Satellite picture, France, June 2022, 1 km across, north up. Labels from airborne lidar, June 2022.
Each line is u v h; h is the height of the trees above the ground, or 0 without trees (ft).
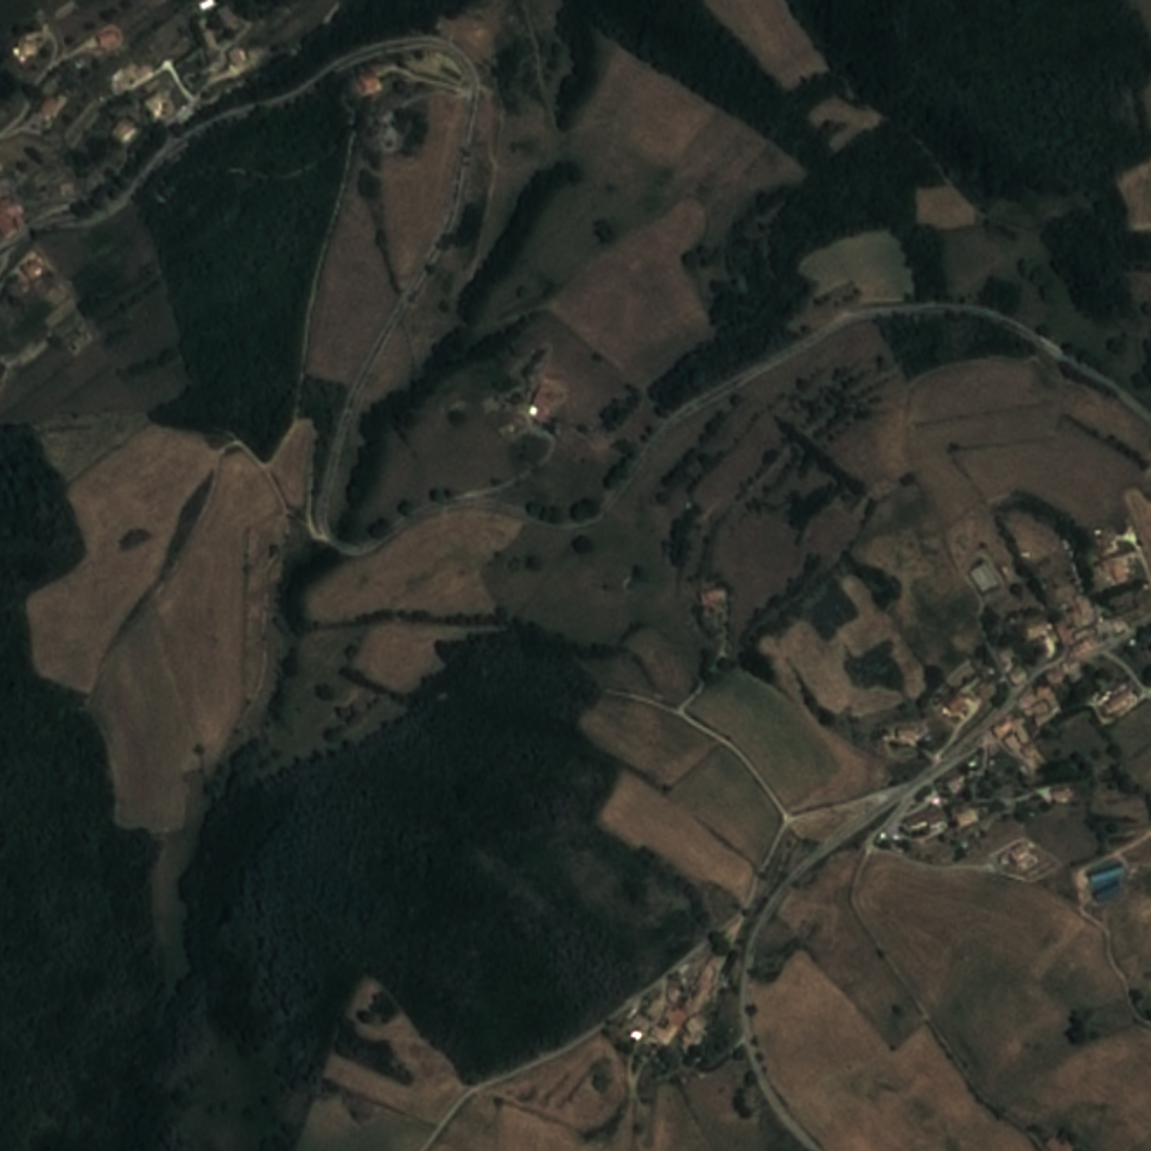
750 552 0
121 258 0
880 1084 0
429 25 34
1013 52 32
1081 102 46
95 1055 29
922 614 0
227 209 29
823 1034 0
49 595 0
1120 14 32
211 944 67
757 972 22
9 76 37
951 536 0
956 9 22
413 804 48
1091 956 0
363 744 23
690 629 0
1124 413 0
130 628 0
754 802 0
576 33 54
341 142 31
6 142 0
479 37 0
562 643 21
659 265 0
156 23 18
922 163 26
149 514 0
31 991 57
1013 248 0
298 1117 0
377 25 33
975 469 0
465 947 23
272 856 71
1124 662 0
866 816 0
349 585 0
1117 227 25
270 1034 25
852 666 0
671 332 0
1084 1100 0
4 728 27
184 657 0
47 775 38
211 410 39
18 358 0
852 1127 0
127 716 0
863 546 0
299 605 33
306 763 57
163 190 31
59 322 0
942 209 0
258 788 33
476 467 0
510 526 0
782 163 0
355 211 0
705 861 0
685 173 0
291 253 20
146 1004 38
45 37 0
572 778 22
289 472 0
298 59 37
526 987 30
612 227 42
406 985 19
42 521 34
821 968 0
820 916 0
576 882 0
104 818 37
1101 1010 0
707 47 30
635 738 0
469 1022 24
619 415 42
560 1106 0
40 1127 21
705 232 0
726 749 0
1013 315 19
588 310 0
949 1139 0
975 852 0
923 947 0
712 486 0
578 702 37
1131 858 0
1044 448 0
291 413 20
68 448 0
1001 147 24
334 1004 27
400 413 38
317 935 43
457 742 39
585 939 28
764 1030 0
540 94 20
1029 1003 0
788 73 0
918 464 0
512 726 26
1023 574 30
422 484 0
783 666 0
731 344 35
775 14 0
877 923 0
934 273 31
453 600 0
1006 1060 0
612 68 0
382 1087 0
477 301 57
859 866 0
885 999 0
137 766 0
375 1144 0
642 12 40
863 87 23
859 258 0
